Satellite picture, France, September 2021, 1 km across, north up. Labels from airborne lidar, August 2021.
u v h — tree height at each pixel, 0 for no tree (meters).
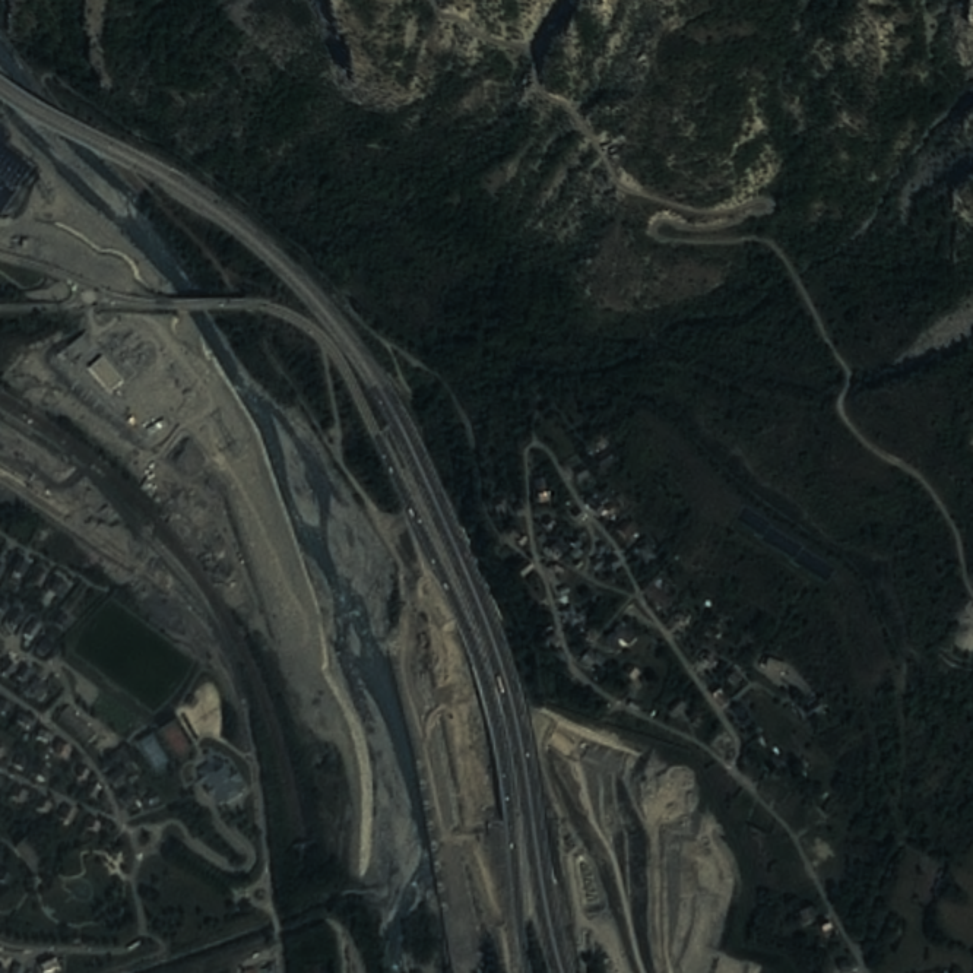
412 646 0
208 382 0
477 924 0
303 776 11
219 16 8
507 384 7
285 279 0
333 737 0
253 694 5
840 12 11
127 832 0
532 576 8
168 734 0
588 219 6
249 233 0
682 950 0
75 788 6
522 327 18
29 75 0
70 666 0
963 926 0
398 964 0
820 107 9
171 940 6
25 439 0
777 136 7
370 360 0
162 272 0
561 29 5
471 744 0
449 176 6
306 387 7
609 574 8
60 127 0
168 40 9
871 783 7
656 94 7
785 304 6
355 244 7
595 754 0
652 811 0
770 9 7
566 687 13
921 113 10
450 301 9
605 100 7
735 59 6
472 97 0
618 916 0
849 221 11
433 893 0
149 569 0
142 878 0
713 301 9
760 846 0
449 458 6
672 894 0
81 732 0
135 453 0
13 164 0
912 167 8
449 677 0
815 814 0
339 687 0
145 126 11
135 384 0
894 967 0
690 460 0
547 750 0
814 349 6
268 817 6
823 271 6
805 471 9
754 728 7
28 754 6
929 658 6
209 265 8
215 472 0
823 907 0
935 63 12
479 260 6
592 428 8
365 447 8
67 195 0
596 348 7
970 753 6
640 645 0
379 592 0
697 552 0
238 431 0
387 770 0
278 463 0
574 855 0
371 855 0
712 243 0
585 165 8
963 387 7
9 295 10
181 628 0
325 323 0
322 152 9
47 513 0
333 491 0
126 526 0
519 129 7
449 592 0
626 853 0
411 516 0
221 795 0
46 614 6
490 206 6
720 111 6
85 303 0
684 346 12
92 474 0
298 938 14
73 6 7
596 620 11
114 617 0
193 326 0
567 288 6
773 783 0
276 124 9
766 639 9
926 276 9
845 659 5
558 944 0
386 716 0
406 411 0
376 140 7
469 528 13
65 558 0
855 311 8
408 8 8
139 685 0
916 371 10
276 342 8
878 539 11
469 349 18
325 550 0
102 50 8
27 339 0
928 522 6
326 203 7
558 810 0
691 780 0
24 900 0
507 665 0
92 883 0
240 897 0
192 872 14
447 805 0
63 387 0
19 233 0
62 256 0
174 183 0
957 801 5
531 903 0
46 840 10
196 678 0
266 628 0
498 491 7
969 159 6
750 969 0
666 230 0
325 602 0
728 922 0
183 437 0
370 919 9
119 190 0
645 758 0
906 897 0
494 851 0
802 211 8
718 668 6
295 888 15
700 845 0
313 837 7
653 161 6
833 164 6
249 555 0
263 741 11
